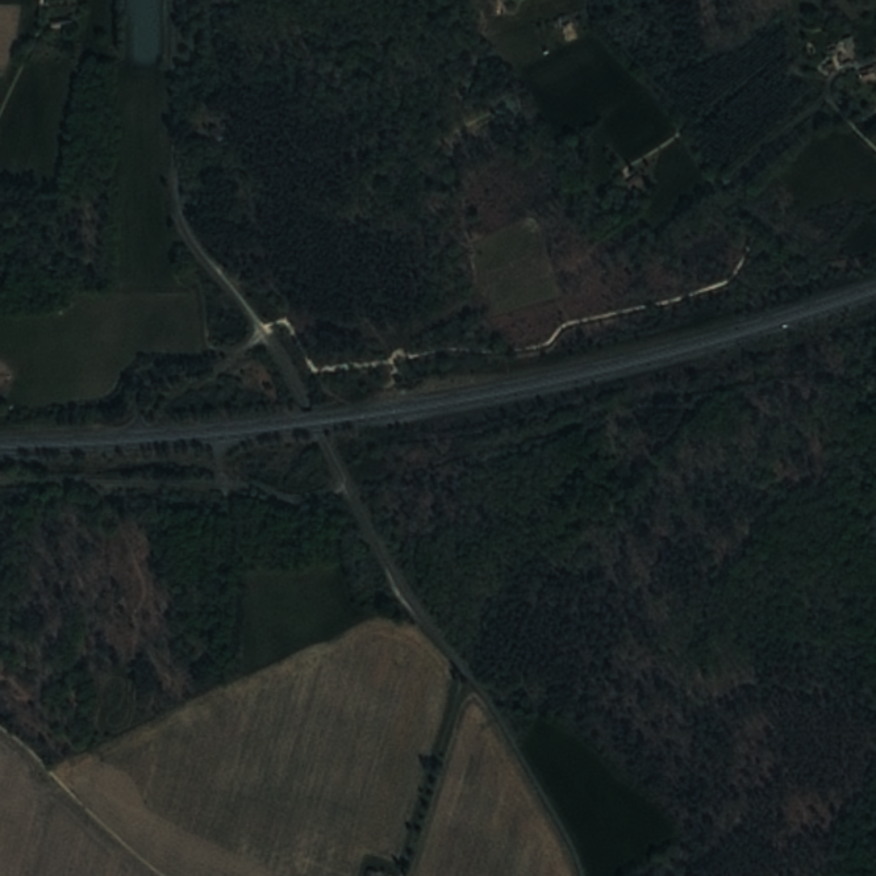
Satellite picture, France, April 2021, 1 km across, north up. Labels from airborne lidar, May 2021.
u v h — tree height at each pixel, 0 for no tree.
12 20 0
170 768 0
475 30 13
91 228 12
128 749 0
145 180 0
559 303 0
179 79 16
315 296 19
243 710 0
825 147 0
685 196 0
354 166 22
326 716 0
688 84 17
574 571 10
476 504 14
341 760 0
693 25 21
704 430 18
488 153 20
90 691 16
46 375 0
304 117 15
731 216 17
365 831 0
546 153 20
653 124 0
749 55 18
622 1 12
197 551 20
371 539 0
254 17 18
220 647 20
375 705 0
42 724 14
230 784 0
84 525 16
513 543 19
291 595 0
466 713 0
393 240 16
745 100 15
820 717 20
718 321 0
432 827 0
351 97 16
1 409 18
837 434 20
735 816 12
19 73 0
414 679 0
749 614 17
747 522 22
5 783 0
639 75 19
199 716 0
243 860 0
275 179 22
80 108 17
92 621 12
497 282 0
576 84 0
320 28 17
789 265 9
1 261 12
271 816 0
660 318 6
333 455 0
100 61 16
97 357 0
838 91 12
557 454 14
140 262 0
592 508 15
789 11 14
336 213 14
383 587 6
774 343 10
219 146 19
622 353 0
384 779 0
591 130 8
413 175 18
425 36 8
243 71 20
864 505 18
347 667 0
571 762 0
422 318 19
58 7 7
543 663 17
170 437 0
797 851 19
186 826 0
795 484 7
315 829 0
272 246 20
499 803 0
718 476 16
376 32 21
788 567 19
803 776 18
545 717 16
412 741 0
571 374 0
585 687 10
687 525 17
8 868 0
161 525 17
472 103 16
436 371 8
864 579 18
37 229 21
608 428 15
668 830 0
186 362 14
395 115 16
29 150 0
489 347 10
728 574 16
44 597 13
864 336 11
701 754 20
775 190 9
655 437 19
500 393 0
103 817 0
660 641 21
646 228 14
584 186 17
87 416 8
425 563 14
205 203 12
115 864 0
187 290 0
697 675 19
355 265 19
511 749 0
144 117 0
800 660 26
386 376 11
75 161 20
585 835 0
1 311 12
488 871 0
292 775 0
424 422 0
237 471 8
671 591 24
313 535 22
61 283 18
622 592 20
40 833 0
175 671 13
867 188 0
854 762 21
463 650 13
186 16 13
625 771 11
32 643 17
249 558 14
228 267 9
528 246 0
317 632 0
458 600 15
